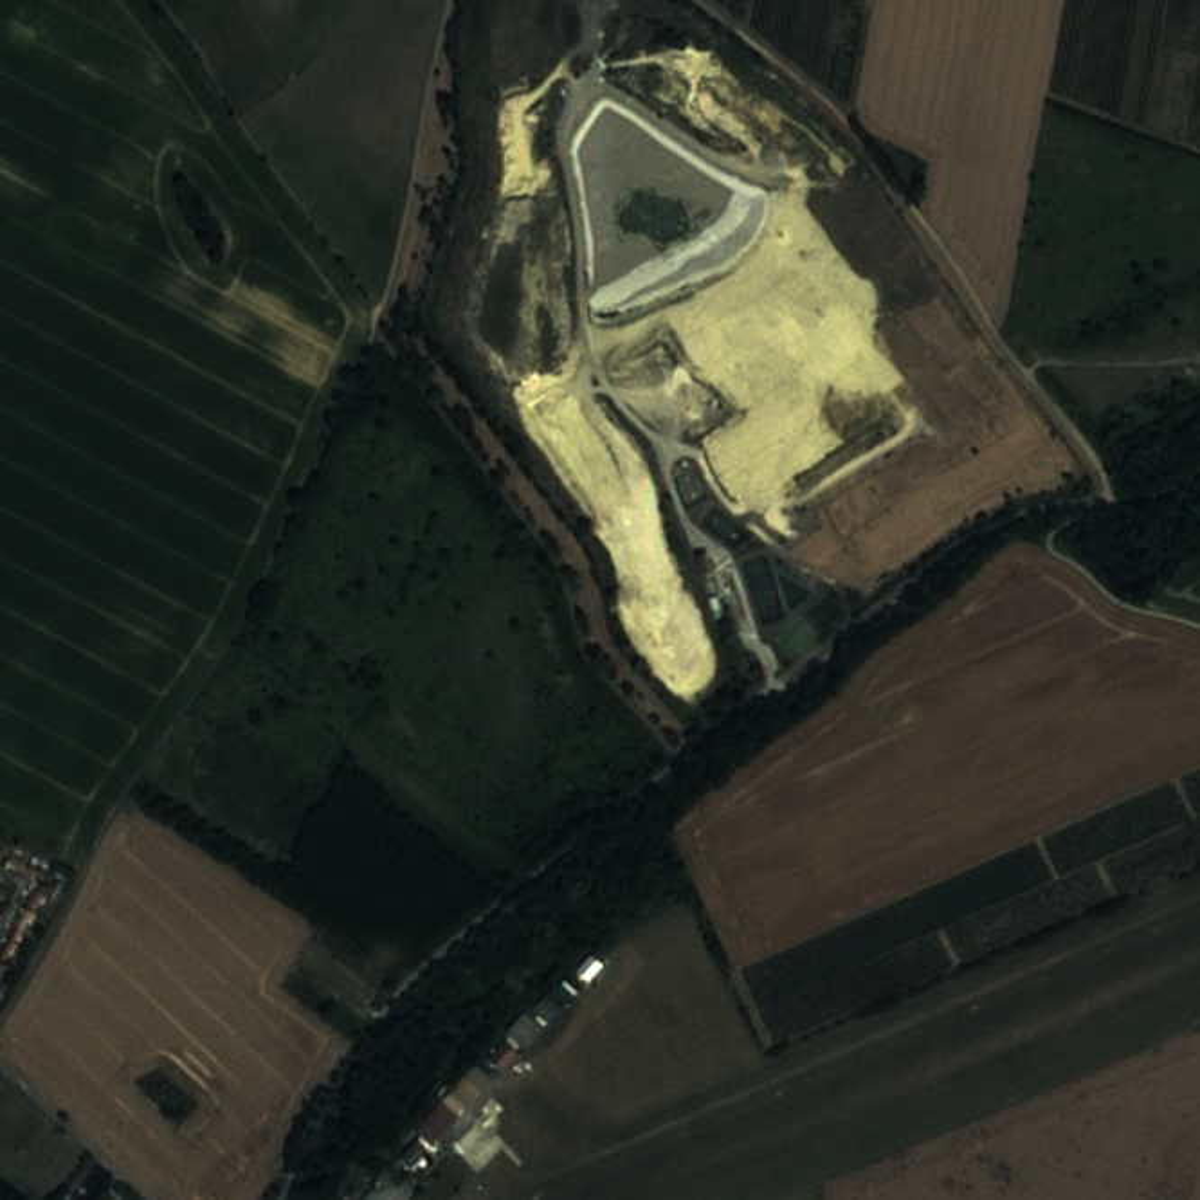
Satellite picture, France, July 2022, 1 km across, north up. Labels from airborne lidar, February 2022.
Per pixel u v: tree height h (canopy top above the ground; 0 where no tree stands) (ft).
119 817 0
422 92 0
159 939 0
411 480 0
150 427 0
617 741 0
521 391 0
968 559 50
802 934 0
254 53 0
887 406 0
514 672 0
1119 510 23
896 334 0
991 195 0
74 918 0
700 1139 0
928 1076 0
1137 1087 0
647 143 0
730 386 0
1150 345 0
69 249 0
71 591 0
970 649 0
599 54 0
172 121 0
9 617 0
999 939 0
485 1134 0
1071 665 0
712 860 0
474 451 30
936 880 0
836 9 0
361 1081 48
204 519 0
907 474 0
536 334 0
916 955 0
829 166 0
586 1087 0
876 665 0
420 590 0
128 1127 0
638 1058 0
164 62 0
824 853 0
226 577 0
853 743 0
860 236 0
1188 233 0
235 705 0
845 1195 0
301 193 0
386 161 0
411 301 24
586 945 19
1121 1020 0
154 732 0
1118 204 0
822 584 0
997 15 0
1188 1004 0
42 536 0
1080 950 0
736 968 0
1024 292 0
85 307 0
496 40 0
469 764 0
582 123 0
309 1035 0
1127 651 0
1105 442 23
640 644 0
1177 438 31
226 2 0
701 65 0
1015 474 0
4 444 0
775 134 0
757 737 56
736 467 0
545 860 30
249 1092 0
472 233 0
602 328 0
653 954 0
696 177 0
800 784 0
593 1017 0
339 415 38
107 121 0
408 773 0
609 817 65
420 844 40
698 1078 0
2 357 0
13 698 0
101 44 0
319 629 0
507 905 51
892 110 0
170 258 0
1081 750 0
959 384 0
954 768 0
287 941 0
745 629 0
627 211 0
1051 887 0
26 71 0
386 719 0
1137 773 0
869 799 0
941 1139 0
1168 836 0
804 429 0
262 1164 0
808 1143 0
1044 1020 0
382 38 0
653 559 0
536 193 0
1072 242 0
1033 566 0
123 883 0
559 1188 0
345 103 0
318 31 0
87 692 0
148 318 0
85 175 0
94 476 0
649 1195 0
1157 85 0
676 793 0
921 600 64
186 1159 0
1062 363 0
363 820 41
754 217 0
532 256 0
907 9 0
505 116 0
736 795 0
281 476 0
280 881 33
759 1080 0
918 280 0
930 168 0
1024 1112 0
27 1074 0
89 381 0
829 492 0
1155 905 0
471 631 0
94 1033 0
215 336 0
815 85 0
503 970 28
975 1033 0
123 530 0
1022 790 0
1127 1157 0
